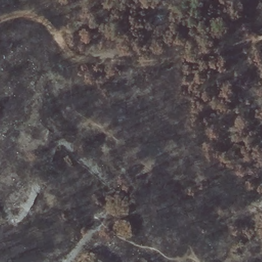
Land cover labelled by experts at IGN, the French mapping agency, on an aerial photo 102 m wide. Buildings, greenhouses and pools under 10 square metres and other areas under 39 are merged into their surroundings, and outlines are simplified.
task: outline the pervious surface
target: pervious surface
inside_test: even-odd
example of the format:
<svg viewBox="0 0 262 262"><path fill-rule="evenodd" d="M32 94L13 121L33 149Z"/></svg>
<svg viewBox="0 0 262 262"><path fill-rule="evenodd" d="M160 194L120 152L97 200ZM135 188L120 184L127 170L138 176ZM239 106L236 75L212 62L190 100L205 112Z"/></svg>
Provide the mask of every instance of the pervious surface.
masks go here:
<svg viewBox="0 0 262 262"><path fill-rule="evenodd" d="M64 46L64 41L58 30L51 26L50 21L34 11L16 10L0 16L0 20L4 23L18 17L30 18L48 30L60 48Z"/></svg>

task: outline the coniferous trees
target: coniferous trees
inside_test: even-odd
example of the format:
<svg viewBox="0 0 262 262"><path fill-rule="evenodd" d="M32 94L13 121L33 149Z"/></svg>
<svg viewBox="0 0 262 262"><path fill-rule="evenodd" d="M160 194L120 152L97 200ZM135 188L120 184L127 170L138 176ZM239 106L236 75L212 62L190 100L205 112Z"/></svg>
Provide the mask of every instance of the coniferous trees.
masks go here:
<svg viewBox="0 0 262 262"><path fill-rule="evenodd" d="M79 1L81 7L90 5L89 12L94 17L96 29L99 29L100 25L115 24L115 36L122 39L123 46L128 47L131 53L128 57L131 60L138 60L140 57L154 59L158 54L176 56L179 63L173 73L177 79L173 97L177 102L190 101L190 119L181 126L180 131L187 133L190 144L194 143L200 147L203 145L202 156L206 161L232 169L236 176L244 178L248 190L256 192L258 186L262 188L262 0L57 0L61 4L71 5Z"/></svg>

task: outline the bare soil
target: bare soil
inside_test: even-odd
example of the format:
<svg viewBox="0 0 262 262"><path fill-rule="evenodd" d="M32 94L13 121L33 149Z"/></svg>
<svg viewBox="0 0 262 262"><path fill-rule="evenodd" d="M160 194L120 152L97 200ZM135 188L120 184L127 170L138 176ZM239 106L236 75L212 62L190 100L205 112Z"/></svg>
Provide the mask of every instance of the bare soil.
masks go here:
<svg viewBox="0 0 262 262"><path fill-rule="evenodd" d="M194 143L190 144L187 133L180 131L181 126L190 119L190 101L177 102L173 97L177 79L173 73L179 63L176 56L158 54L154 59L140 57L138 60L131 60L128 57L131 53L128 47L123 46L122 39L115 36L115 24L100 25L99 29L96 29L94 17L89 12L90 5L81 7L79 1L71 5L61 4L57 0L0 0L0 16L16 10L34 11L50 21L51 26L58 30L64 41L64 46L60 48L48 30L30 18L18 17L4 23L0 20L0 262L262 262L262 188L258 186L256 192L248 190L244 178L236 176L232 169L206 161L202 156L203 145L200 147Z"/></svg>

